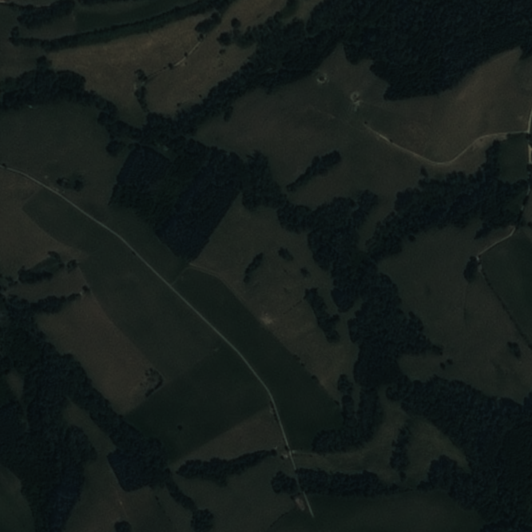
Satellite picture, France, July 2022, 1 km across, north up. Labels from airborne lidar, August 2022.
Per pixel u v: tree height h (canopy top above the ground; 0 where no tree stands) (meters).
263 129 0
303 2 0
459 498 22
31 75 8
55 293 0
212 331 0
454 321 0
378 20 22
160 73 0
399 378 20
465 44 21
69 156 0
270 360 0
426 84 11
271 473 0
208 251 0
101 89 0
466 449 20
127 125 13
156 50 0
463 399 23
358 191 0
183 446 0
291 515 0
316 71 0
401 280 0
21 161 0
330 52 8
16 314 22
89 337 0
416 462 0
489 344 0
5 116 0
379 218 0
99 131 0
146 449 26
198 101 0
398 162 0
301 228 17
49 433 32
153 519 0
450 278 0
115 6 0
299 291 0
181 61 0
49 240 0
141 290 0
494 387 0
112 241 0
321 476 21
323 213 25
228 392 0
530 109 0
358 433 24
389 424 0
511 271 0
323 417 0
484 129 0
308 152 0
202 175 23
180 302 0
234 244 0
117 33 8
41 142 0
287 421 0
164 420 0
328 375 0
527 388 0
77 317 0
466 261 0
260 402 0
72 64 0
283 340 0
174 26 0
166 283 0
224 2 17
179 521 0
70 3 15
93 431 0
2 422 15
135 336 0
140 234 0
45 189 0
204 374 0
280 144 0
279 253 9
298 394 0
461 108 0
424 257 0
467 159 0
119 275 0
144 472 30
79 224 0
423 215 23
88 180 0
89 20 0
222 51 7
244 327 0
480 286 0
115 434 24
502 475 8
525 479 9
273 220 0
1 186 0
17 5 8
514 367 0
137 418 0
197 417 0
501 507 7
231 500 0
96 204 0
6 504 0
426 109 0
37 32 0
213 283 0
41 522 7
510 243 0
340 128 0
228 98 7
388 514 0
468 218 19
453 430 24
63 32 0
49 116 0
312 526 0
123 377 0
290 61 13
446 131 0
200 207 29
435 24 22
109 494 0
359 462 0
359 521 0
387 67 8
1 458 15
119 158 0
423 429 0
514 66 0
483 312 0
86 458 22
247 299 0
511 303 0
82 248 0
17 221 0
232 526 0
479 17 30
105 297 0
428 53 15
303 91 0
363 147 0
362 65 0
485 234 12
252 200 6
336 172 0
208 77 0
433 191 23
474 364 0
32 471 20
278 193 21
